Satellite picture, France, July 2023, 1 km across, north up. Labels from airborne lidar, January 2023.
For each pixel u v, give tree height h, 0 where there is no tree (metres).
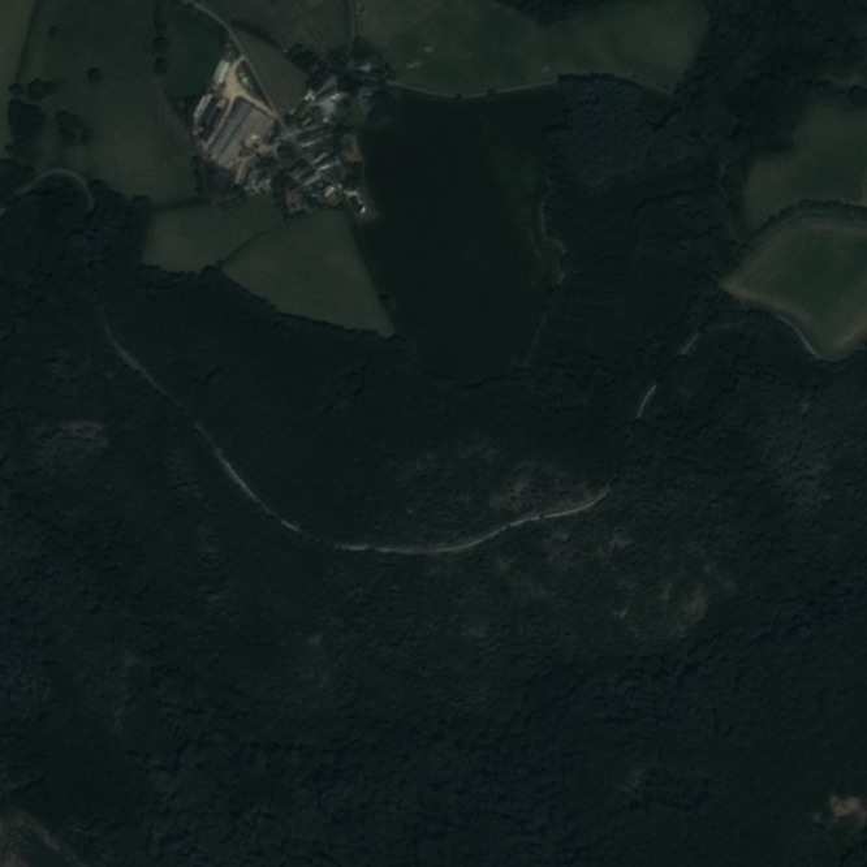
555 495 11
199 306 20
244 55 0
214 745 23
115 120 0
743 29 14
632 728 26
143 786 17
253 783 23
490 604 10
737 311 13
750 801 27
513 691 24
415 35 0
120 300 20
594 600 9
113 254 24
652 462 25
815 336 0
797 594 26
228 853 30
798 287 0
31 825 0
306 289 0
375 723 25
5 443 30
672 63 0
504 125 0
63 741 16
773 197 0
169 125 0
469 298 0
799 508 25
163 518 17
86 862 10
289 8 0
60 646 20
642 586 5
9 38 0
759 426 24
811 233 0
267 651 14
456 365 0
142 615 31
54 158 0
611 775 25
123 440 15
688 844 20
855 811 21
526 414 24
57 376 10
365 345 22
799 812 23
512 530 19
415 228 0
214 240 0
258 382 20
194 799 29
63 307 22
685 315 13
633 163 28
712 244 25
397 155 0
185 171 0
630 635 12
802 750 24
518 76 0
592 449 15
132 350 15
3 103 0
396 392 19
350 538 18
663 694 21
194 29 0
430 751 33
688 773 19
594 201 8
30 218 22
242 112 0
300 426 19
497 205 0
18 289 27
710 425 20
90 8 0
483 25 0
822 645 26
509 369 0
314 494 17
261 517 19
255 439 16
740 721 28
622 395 23
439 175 0
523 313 0
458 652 17
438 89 0
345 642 21
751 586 25
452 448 12
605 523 14
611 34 0
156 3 11
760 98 35
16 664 20
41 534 14
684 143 29
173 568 15
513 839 17
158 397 18
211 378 17
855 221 0
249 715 20
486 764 22
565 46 0
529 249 0
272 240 0
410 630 18
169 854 33
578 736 21
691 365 25
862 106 12
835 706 25
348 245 0
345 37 0
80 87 0
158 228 0
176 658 25
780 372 13
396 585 16
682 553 10
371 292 0
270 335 23
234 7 0
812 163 0
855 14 19
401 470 11
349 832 23
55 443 15
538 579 8
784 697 20
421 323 0
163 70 13
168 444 18
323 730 28
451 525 16
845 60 7
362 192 0
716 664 31
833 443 10
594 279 8
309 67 10
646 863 26
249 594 20
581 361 7
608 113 31
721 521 13
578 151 28
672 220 26
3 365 23
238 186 9
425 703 24
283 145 12
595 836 19
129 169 0
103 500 21
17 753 21
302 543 20
